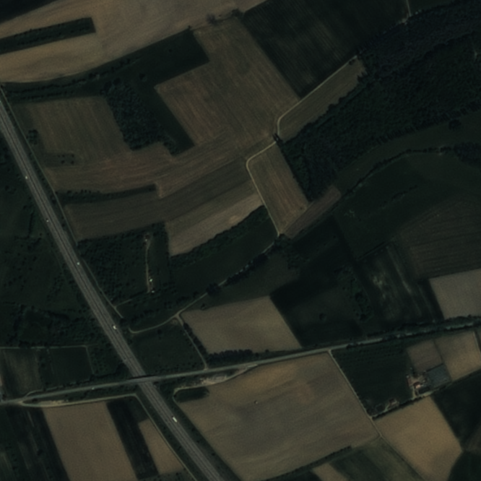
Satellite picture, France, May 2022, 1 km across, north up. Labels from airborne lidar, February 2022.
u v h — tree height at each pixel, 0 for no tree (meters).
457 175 0
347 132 14
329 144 14
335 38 0
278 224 0
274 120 0
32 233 7
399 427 0
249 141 0
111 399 0
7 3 0
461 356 0
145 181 0
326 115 6
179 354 0
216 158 0
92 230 0
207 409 0
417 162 0
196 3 0
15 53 0
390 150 0
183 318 0
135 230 0
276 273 0
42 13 0
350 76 0
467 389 0
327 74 0
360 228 0
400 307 0
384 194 0
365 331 0
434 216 0
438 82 16
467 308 0
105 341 6
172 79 0
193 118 0
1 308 0
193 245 0
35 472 0
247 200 0
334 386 0
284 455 0
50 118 0
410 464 0
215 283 0
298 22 0
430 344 0
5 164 6
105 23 0
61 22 0
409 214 0
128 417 0
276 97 0
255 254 0
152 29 0
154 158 0
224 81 0
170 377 0
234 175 0
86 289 0
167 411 0
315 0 0
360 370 0
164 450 0
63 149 0
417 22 18
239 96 0
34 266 0
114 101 16
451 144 0
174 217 0
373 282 0
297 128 0
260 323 0
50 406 0
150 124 20
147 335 0
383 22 0
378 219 0
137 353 0
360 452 0
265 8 0
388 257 0
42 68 0
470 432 0
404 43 17
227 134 0
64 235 0
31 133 6
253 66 0
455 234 0
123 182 0
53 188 0
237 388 0
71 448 0
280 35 0
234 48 0
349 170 0
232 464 0
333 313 0
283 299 0
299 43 0
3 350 0
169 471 0
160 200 0
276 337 0
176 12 0
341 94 0
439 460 0
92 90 0
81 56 0
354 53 0
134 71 0
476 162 34
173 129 0
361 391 0
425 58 21
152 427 0
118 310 0
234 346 0
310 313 0
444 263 0
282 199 0
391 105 6
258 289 0
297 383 0
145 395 0
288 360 0
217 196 0
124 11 0
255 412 0
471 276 0
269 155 0
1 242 0
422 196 0
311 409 0
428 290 0
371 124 10
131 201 0
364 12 0
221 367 0
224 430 0
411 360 0
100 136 0
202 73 0
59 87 7
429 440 0
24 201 0
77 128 0
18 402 0
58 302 0
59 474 0
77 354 0
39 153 0
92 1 0
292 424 0
